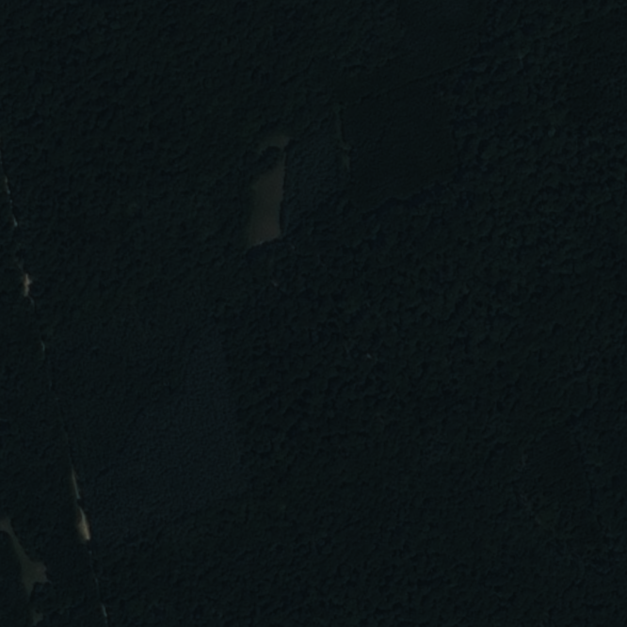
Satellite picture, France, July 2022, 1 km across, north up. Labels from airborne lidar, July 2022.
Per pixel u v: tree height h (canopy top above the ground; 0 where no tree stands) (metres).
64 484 25
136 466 20
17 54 27
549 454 6
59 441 25
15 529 10
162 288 22
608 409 25
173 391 21
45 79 26
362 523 25
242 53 23
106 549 23
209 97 20
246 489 20
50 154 27
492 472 23
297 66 20
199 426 20
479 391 24
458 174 10
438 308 26
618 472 25
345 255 27
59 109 27
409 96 9
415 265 32
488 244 22
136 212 9
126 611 14
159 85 20
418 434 28
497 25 28
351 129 11
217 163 18
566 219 27
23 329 23
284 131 16
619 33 16
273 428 23
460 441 23
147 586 26
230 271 19
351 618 28
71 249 17
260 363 26
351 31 27
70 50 20
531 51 22
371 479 23
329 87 18
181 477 19
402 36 12
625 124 24
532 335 25
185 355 22
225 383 20
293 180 8
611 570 22
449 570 25
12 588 24
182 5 25
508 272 27
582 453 17
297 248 22
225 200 24
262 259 23
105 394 14
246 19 25
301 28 23
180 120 22
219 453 20
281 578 26
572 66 10
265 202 0
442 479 26
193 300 16
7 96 23
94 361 22
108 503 16
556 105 28
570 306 29
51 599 16
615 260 30
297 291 22
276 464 17
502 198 28
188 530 24
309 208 14
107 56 28
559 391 25
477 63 26
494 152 27
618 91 10
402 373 27
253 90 20
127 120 27
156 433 20
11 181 16
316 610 29
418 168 10
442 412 21
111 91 26
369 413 24
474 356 27
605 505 27
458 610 29
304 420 20
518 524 22
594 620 22
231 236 21
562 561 25
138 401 22
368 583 26
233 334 18
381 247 31
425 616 29
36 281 10
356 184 13
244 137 21
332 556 25
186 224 23
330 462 24
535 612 25
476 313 24
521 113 28
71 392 16
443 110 9
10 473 22
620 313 23
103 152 23
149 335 13
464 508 22
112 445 15
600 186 25
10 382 23
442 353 27
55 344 16
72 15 28
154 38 26
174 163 24
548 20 30
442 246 29
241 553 12
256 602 25
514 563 23
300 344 30
